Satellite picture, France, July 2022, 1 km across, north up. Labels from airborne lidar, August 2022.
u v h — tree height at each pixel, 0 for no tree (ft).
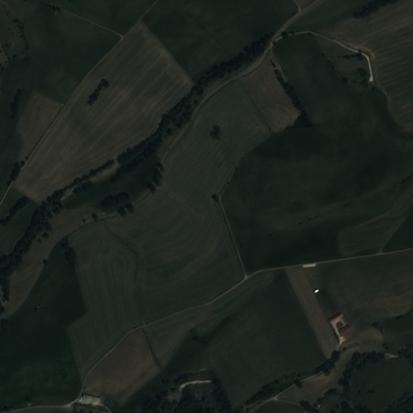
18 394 0
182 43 0
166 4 0
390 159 0
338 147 0
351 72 0
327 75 0
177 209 0
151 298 0
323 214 0
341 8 0
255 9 0
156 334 0
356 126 0
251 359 0
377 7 68
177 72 0
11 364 0
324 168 0
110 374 0
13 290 0
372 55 0
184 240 0
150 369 0
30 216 0
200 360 0
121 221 0
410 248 0
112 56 0
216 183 0
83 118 0
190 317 0
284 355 0
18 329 0
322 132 0
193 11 0
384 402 0
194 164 0
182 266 0
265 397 33
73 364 0
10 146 0
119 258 0
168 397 0
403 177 0
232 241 0
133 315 0
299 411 0
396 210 0
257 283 0
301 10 0
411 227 0
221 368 0
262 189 0
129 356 0
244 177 0
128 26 0
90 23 0
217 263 0
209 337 0
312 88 0
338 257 0
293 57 0
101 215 0
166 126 45
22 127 0
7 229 0
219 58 0
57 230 0
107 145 0
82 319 0
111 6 0
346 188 0
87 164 0
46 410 0
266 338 0
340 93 0
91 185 61
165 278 0
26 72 0
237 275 0
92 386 0
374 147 0
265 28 0
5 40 0
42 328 0
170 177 0
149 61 0
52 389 0
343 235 0
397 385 0
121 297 0
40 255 0
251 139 0
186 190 0
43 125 0
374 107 0
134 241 0
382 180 0
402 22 0
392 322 0
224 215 0
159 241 0
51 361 0
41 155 0
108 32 0
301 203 0
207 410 26
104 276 0
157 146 70
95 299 0
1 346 0
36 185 0
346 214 0
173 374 0
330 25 0
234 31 0
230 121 0
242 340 0
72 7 0
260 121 0
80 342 0
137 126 0
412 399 25
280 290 0
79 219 0
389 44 0
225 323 0
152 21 0
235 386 0
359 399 0
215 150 0
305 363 0
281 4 0
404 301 0
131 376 0
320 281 0
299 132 0
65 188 24
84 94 0
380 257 0
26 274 0
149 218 0
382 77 0
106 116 0
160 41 0
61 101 0
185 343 0
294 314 0
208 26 0
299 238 0
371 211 0
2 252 0
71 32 0
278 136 0
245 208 0
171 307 0
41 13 0
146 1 0
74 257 62
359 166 0
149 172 0
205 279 0
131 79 0
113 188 0
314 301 0
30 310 0
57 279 0
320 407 0
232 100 0
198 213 0
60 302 0
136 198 0
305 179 0
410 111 0
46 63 0
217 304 0
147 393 0
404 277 0
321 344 0
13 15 0
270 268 0
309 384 0
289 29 0
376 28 0
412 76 0
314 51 0
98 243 0
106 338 0
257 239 0
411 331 0
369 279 0
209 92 0
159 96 0
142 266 0
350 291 0
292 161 0
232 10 0
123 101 0
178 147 0
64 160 0
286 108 0
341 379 0
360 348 0
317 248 0
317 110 0
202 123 0
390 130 0
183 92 0
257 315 0
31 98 0
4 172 0
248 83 0
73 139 0
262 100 0
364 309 0
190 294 0
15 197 0
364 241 0
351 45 0
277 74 23
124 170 70
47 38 0
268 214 0
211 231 0
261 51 50
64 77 0
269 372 0
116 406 0
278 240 0
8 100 0
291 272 0
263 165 0
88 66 0
